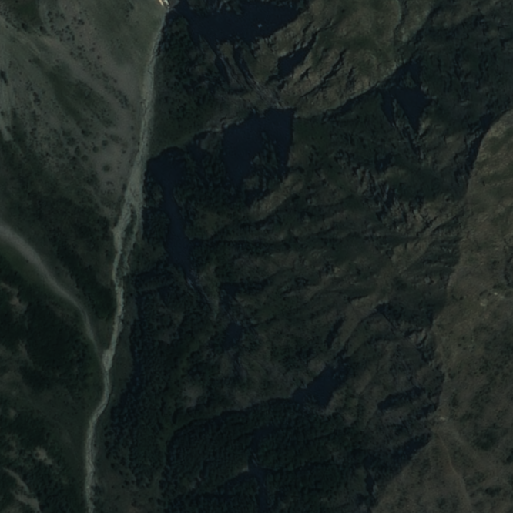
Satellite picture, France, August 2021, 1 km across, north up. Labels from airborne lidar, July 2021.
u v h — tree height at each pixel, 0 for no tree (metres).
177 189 8
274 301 8
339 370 8
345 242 0
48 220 9
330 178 0
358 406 7
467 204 0
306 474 19
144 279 18
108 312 16
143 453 22
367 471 7
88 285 14
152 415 33
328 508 11
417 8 0
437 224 0
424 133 0
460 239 0
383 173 0
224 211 9
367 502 12
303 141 0
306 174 21
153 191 9
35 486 30
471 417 6
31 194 9
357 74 0
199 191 17
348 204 0
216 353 10
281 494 7
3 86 0
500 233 0
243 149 7
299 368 10
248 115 0
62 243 10
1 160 0
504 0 0
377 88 0
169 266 10
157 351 32
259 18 0
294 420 8
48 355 16
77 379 7
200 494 7
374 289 0
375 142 0
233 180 8
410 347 0
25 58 0
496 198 0
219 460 32
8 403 8
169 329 10
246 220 9
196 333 11
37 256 0
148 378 26
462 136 0
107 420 0
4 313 12
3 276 17
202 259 14
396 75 0
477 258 0
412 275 0
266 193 6
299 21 0
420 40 0
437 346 0
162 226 30
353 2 0
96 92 0
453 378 6
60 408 0
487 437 9
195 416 23
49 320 15
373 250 0
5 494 7
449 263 0
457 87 0
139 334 17
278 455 12
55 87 0
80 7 0
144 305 30
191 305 27
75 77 0
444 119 0
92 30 0
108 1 0
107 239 9
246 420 9
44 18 0
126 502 0
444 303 0
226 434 28
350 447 15
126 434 12
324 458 8
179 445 25
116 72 0
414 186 0
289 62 0
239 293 7
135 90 0
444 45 0
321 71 0
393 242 0
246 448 19
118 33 0
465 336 7
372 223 0
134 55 0
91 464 0
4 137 0
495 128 0
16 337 18
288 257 0
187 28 0
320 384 8
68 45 0
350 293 0
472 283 0
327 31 0
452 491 0
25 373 10
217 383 11
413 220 0
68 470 7
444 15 0
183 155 10
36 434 15
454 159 0
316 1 0
